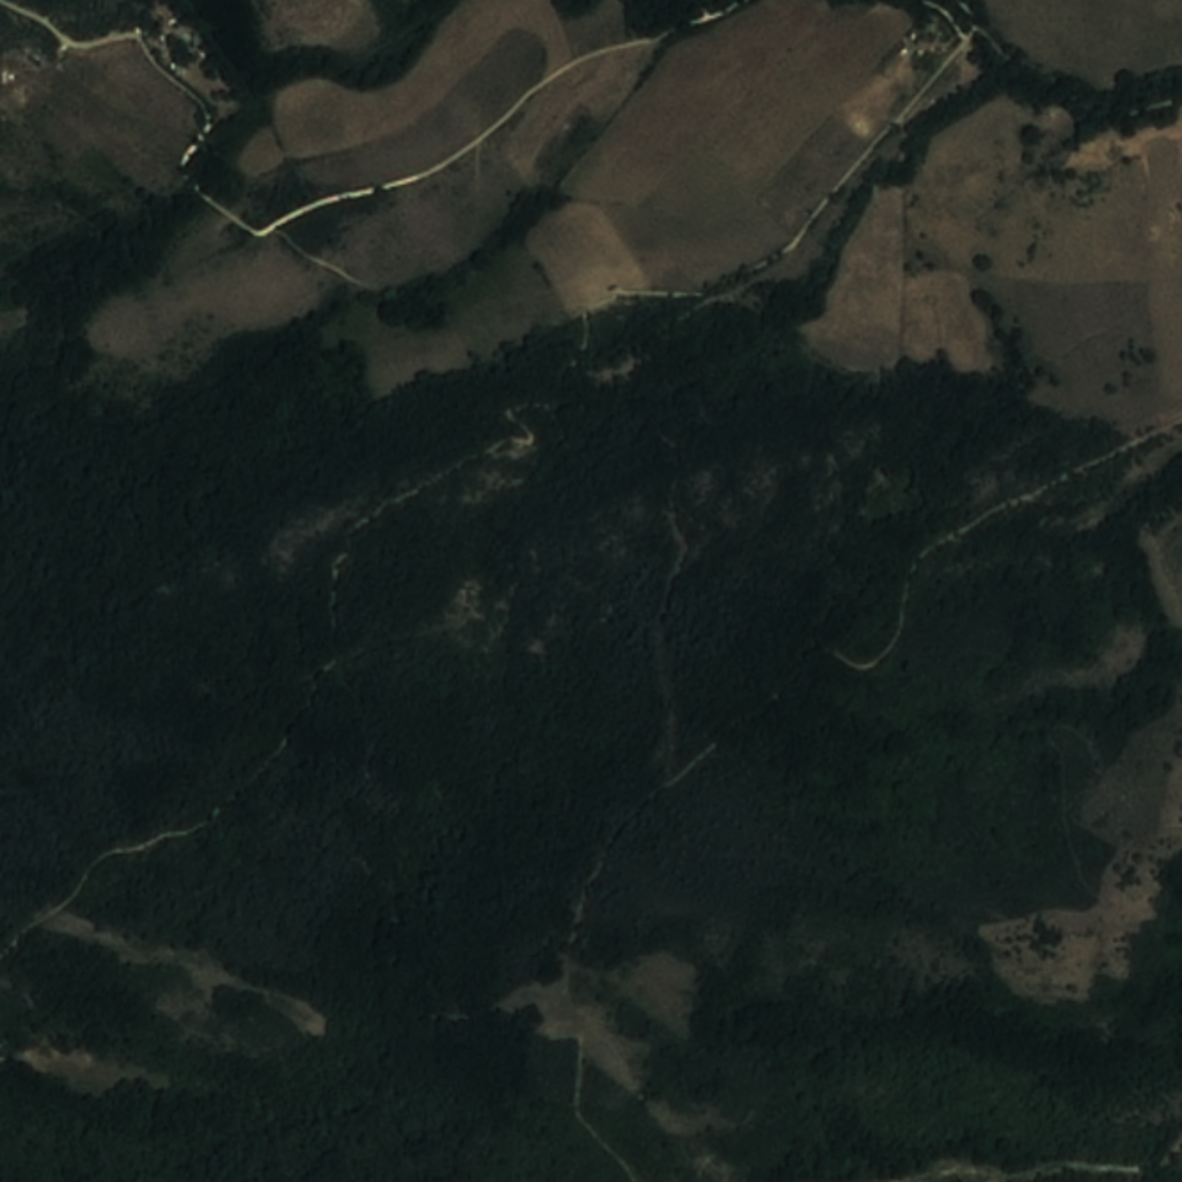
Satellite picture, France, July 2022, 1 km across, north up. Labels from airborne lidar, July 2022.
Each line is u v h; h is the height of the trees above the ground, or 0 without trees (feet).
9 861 45
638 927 23
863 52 0
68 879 28
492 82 0
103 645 37
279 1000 0
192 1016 0
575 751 34
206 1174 26
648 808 31
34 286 24
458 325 0
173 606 29
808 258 0
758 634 41
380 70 40
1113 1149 22
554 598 19
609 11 0
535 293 0
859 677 26
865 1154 27
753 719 31
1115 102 23
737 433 25
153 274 22
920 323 0
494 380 41
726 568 28
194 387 31
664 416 24
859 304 0
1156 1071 31
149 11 24
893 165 29
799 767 38
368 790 30
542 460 25
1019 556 23
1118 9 0
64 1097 43
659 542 27
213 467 36
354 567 20
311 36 0
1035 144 30
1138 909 0
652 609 41
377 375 0
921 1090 22
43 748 27
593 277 0
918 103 0
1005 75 36
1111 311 0
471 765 60
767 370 23
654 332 23
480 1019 32
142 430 44
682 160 0
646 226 0
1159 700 30
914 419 49
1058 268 0
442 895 55
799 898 33
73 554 48
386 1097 37
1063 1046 50
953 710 20
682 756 21
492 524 45
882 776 19
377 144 0
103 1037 28
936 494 41
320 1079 35
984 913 0
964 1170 0
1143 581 49
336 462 53
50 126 0
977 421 31
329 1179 43
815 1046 45
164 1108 49
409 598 29
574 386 38
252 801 38
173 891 21
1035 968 0
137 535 66
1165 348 0
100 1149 20
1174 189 0
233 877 29
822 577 36
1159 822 0
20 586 51
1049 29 0
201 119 26
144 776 42
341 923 43
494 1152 25
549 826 43
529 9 0
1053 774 27
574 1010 0
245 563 25
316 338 52
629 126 0
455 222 0
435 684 31
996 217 0
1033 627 19
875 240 0
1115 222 0
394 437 52
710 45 0
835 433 19
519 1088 36
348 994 42
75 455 40
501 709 48
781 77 0
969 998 38
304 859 25
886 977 39
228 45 40
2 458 31
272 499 41
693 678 23
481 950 34
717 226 0
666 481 21
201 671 42
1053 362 0
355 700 32
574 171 0
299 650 21
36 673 42
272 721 36
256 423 66
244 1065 31
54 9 22
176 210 41
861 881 34
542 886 25
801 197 0
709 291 22
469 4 0
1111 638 0
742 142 0
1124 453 23
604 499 25
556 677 29
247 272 0
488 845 51
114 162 0
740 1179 0
